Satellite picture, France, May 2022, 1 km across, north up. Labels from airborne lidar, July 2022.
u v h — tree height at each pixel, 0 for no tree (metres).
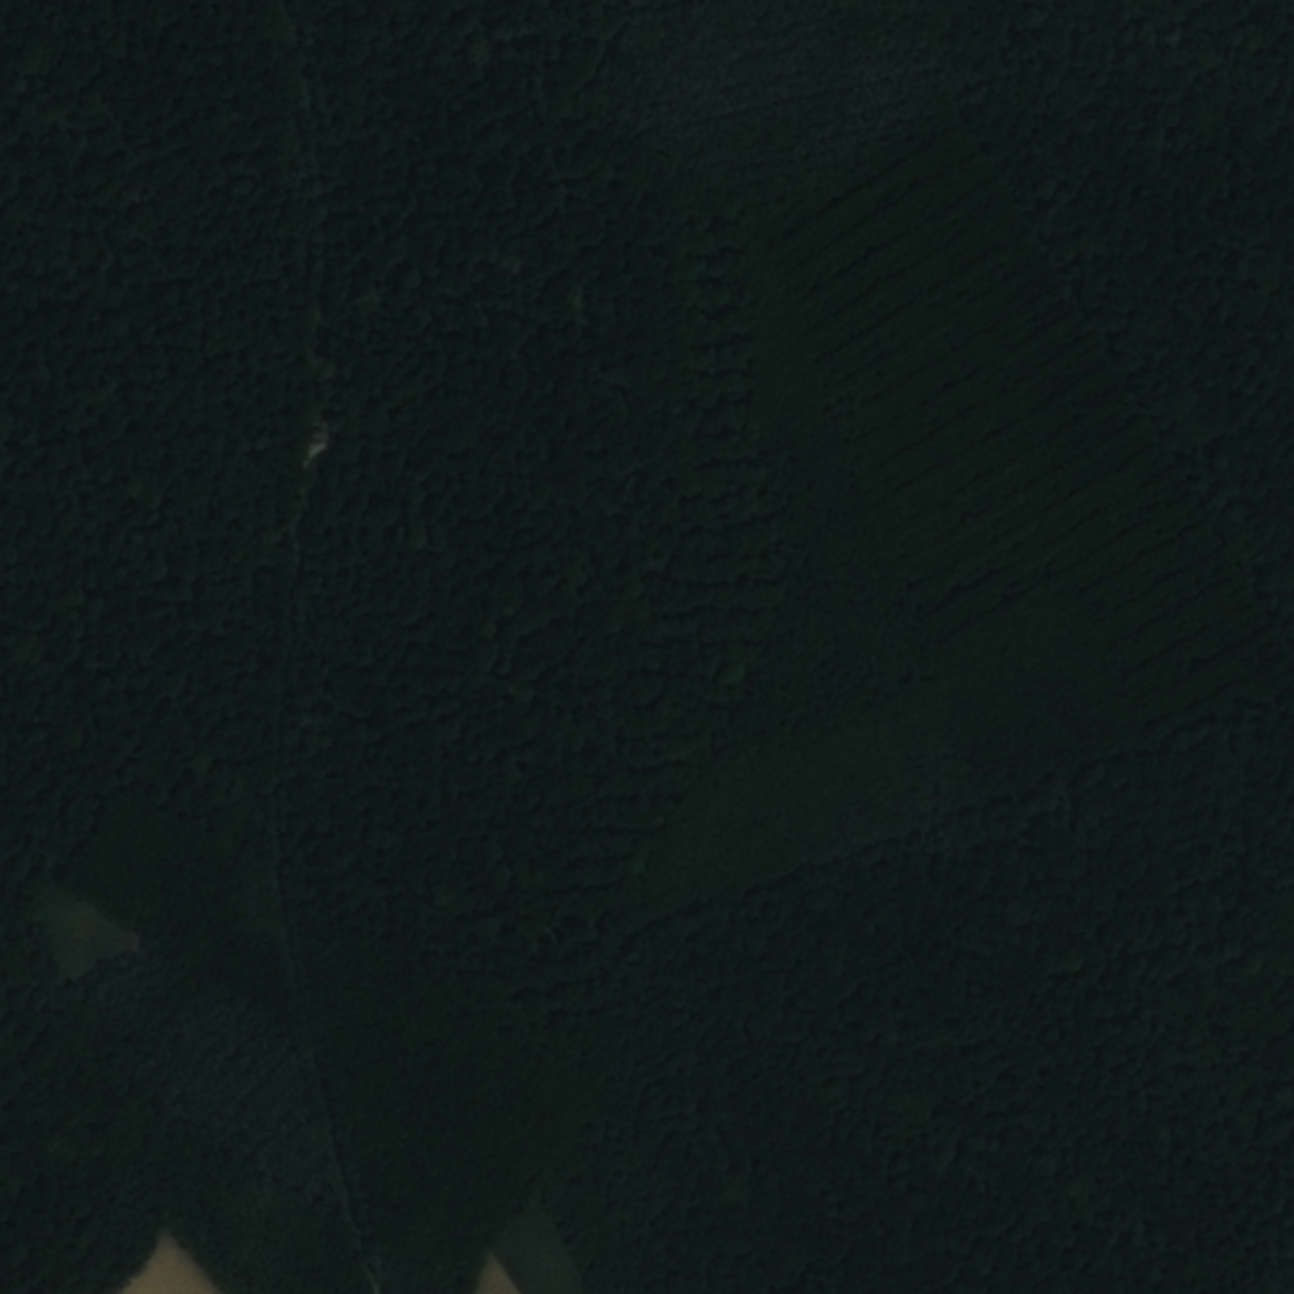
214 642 21
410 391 25
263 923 24
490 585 26
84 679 26
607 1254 22
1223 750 21
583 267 22
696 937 25
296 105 21
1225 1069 15
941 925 24
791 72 14
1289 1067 17
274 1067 20
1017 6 25
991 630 12
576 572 26
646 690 22
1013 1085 29
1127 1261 24
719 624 23
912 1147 17
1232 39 28
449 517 26
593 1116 18
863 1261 26
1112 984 28
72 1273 13
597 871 21
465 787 26
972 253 8
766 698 19
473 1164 24
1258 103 25
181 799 23
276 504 24
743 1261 26
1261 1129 25
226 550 22
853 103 13
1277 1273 26
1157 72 25
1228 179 19
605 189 16
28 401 25
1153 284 26
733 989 27
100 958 0
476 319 26
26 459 28
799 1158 22
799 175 12
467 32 28
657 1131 27
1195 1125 22
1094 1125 26
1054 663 14
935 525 9
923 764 14
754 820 13
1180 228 25
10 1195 25
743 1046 26
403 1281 16
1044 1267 25
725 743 19
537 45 24
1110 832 26
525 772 24
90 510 27
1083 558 10
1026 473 7
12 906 26
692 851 12
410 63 27
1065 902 29
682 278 20
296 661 19
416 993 21
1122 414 8
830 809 13
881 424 9
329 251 18
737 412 18
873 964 23
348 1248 17
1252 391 24
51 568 25
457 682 25
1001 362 9
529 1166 15
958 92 13
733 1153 25
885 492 8
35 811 26
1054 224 23
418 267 24
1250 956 26
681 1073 24
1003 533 9
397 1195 24
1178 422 24
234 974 22
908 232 9
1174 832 27
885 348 7
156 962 22
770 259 10
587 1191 21
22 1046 22
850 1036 26
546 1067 17
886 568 18
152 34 18
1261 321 24
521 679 27
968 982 26
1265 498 23
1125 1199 29
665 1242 25
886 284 12
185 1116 18
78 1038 22
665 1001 25
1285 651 8
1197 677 15
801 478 21
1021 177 26
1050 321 8
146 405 17
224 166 19
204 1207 17
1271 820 27
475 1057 22
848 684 20
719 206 19
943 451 8
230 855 16
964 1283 27
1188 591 10
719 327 19
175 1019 24
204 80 22
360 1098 25
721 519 9
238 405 22
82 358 24
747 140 11
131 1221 15
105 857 23
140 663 23
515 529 23
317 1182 20
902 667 19
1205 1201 17
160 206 20
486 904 17
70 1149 22
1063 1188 27
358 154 24
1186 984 20
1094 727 15
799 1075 22
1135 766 24
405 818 24
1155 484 10
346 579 22
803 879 23
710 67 16
